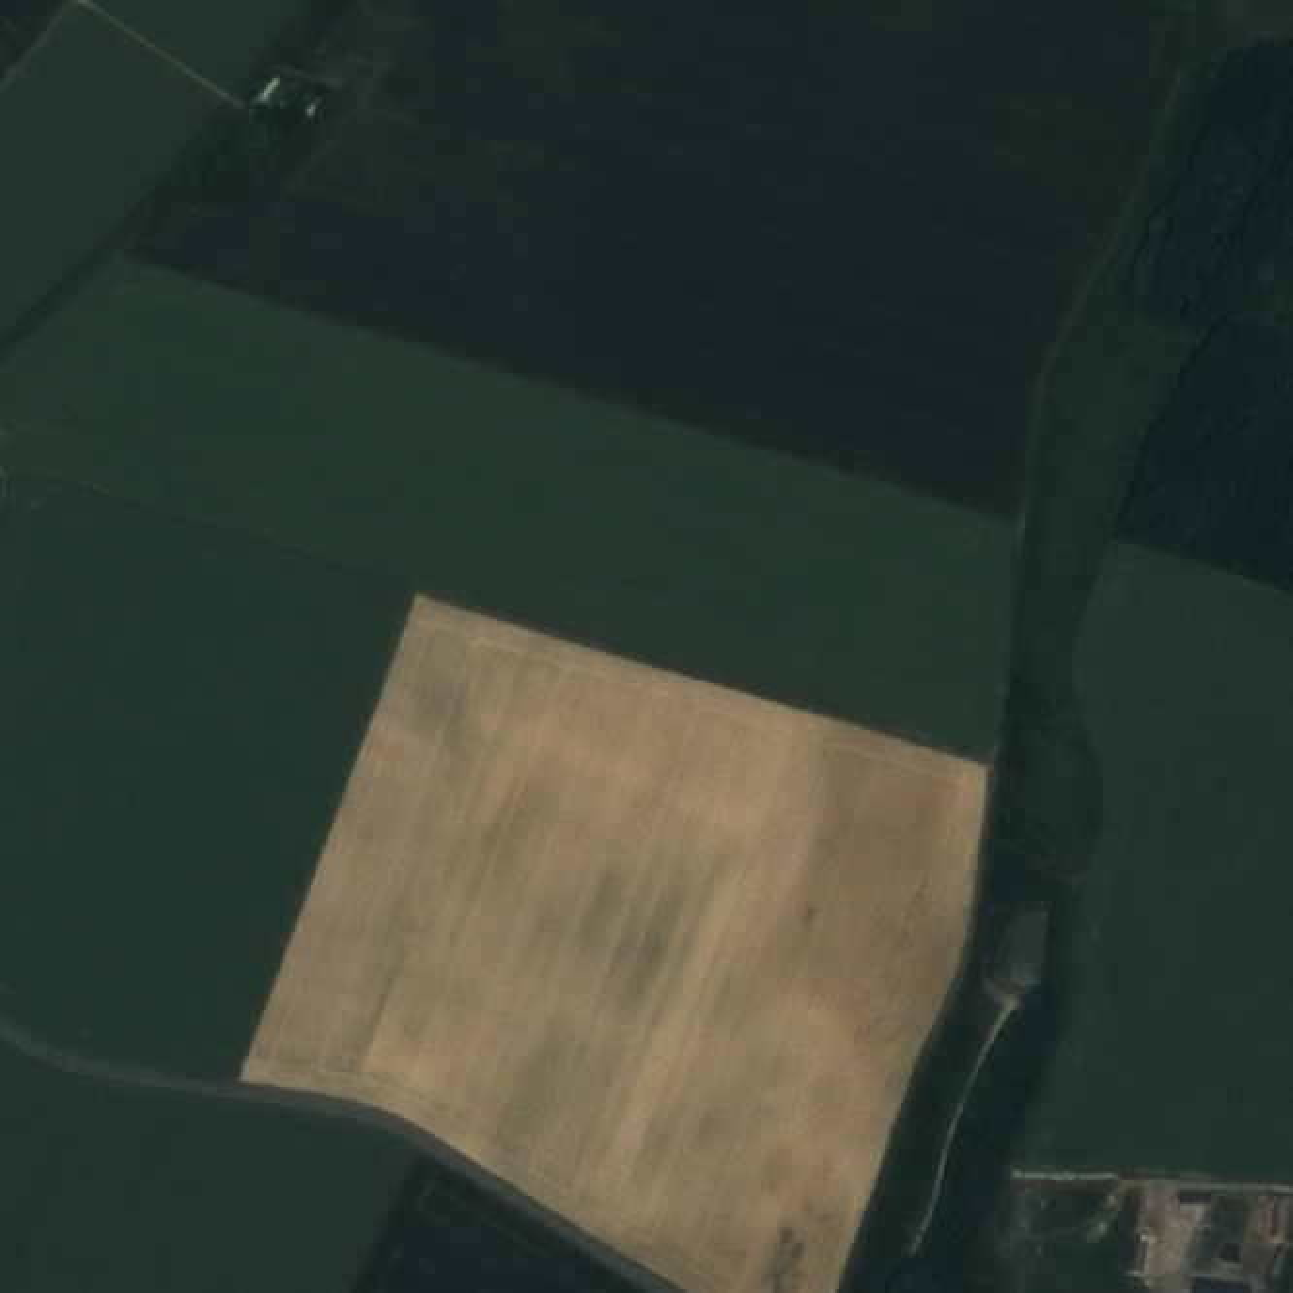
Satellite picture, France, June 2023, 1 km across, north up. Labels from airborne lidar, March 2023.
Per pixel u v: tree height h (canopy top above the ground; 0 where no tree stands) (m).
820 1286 0
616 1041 0
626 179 0
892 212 0
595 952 0
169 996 0
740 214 0
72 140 0
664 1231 0
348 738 0
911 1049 0
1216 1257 0
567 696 0
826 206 0
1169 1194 0
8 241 0
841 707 0
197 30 0
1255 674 0
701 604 0
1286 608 0
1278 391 19
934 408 0
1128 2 0
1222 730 0
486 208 0
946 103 0
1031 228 0
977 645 0
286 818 0
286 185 0
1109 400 0
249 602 0
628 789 0
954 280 0
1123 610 0
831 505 0
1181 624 0
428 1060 0
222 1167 0
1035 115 0
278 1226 0
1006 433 0
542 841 0
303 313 0
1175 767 0
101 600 0
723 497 0
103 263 0
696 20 0
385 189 0
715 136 0
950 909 0
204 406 0
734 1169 0
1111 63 0
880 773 0
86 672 0
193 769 0
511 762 0
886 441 0
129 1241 0
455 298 0
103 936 0
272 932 0
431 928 0
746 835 0
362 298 0
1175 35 0
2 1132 0
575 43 0
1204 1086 0
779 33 0
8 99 0
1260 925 0
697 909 0
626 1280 0
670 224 0
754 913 0
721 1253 0
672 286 0
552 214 0
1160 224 16
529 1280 0
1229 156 21
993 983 0
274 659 0
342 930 0
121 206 0
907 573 0
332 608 0
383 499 0
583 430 0
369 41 0
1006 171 0
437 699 0
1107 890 0
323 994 0
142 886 0
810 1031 0
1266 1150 0
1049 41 0
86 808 0
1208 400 11
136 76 0
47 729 0
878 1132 0
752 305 0
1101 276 0
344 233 0
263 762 0
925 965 0
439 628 0
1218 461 12
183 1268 0
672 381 0
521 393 0
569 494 0
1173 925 0
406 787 0
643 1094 0
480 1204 0
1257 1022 0
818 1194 0
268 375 0
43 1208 0
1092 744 0
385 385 0
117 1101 0
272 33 0
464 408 0
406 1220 0
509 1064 0
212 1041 0
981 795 0
